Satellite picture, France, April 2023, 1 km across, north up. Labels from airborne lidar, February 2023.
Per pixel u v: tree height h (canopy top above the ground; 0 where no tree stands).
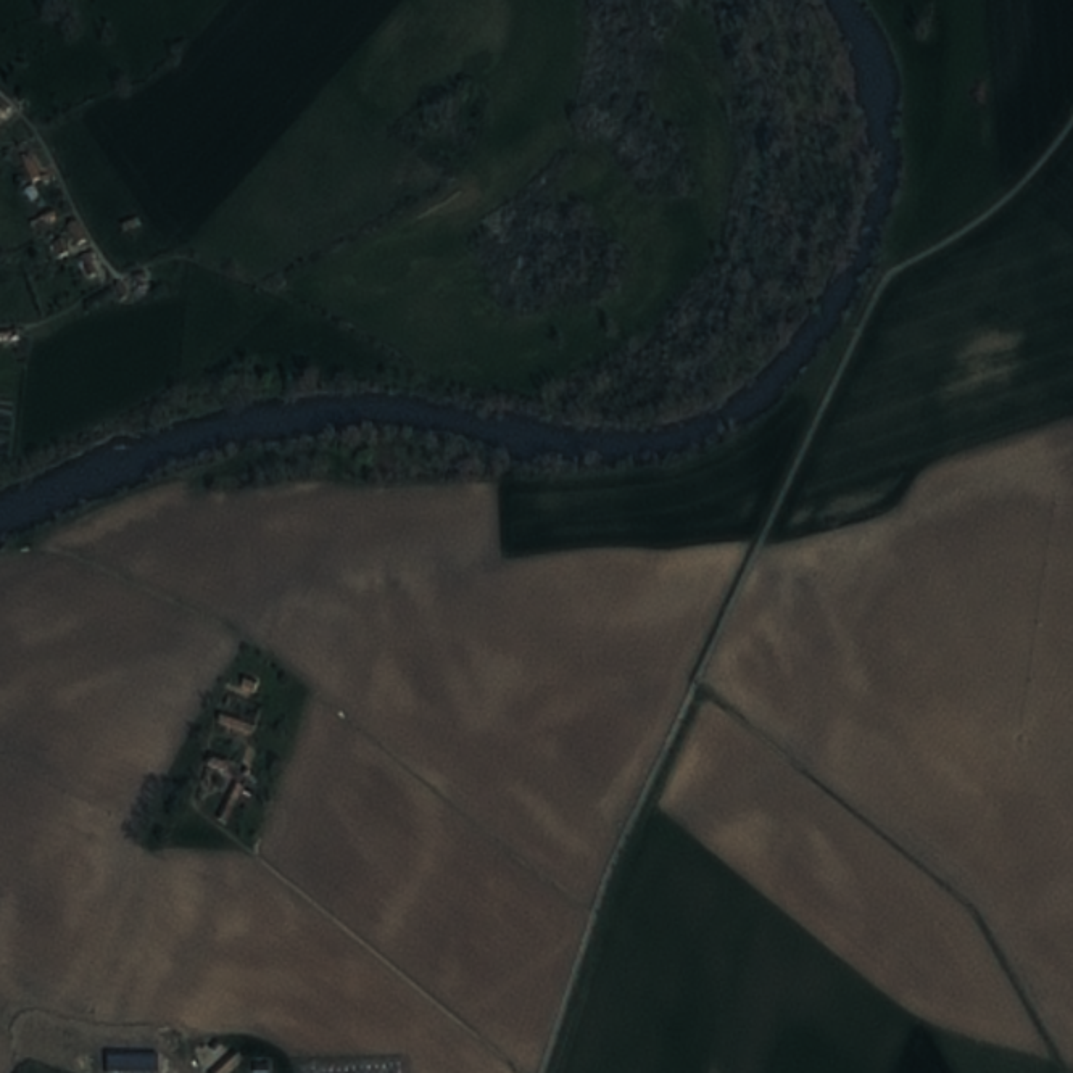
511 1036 0
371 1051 0
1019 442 0
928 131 0
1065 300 0
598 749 0
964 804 0
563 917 0
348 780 0
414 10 0
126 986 0
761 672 0
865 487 0
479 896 0
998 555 0
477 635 0
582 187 0
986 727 0
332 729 0
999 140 0
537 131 0
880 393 0
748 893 0
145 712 0
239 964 0
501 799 0
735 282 24
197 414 0
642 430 7
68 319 0
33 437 0
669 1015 0
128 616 0
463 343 0
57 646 0
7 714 0
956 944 0
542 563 0
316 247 0
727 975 0
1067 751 0
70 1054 0
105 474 0
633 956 0
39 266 14
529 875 0
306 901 0
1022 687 0
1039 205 0
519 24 0
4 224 0
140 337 0
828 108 26
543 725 0
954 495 0
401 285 0
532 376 0
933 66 0
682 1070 0
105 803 0
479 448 12
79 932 0
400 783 0
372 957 0
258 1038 0
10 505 0
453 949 0
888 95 0
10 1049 0
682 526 0
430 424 0
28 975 0
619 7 13
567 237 9
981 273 0
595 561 0
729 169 0
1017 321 0
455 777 0
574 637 0
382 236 0
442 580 0
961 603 0
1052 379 0
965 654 0
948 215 0
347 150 0
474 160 0
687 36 0
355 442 32
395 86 0
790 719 0
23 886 0
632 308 0
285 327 0
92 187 0
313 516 0
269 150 0
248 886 0
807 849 0
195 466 13
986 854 0
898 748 0
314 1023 0
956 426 0
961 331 0
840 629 0
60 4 25
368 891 0
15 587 0
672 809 0
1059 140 0
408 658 0
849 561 0
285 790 0
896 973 0
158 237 0
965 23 0
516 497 0
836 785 0
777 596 0
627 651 0
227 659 0
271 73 0
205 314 0
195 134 0
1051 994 0
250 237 0
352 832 0
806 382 0
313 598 0
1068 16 0
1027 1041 0
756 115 14
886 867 0
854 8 0
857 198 14
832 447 0
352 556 0
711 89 0
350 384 17
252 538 0
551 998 0
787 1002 0
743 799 0
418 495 0
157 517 0
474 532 0
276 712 0
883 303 0
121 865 0
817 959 0
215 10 0
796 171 29
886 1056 0
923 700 0
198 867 0
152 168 0
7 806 0
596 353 0
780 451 0
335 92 0
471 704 0
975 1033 0
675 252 0
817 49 23
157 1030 0
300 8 0
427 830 0
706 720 0
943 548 0
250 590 0
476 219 0
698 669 0
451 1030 0
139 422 0
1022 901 0
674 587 0
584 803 0
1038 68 0
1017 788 0
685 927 0
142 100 0
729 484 0
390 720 0
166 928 0
